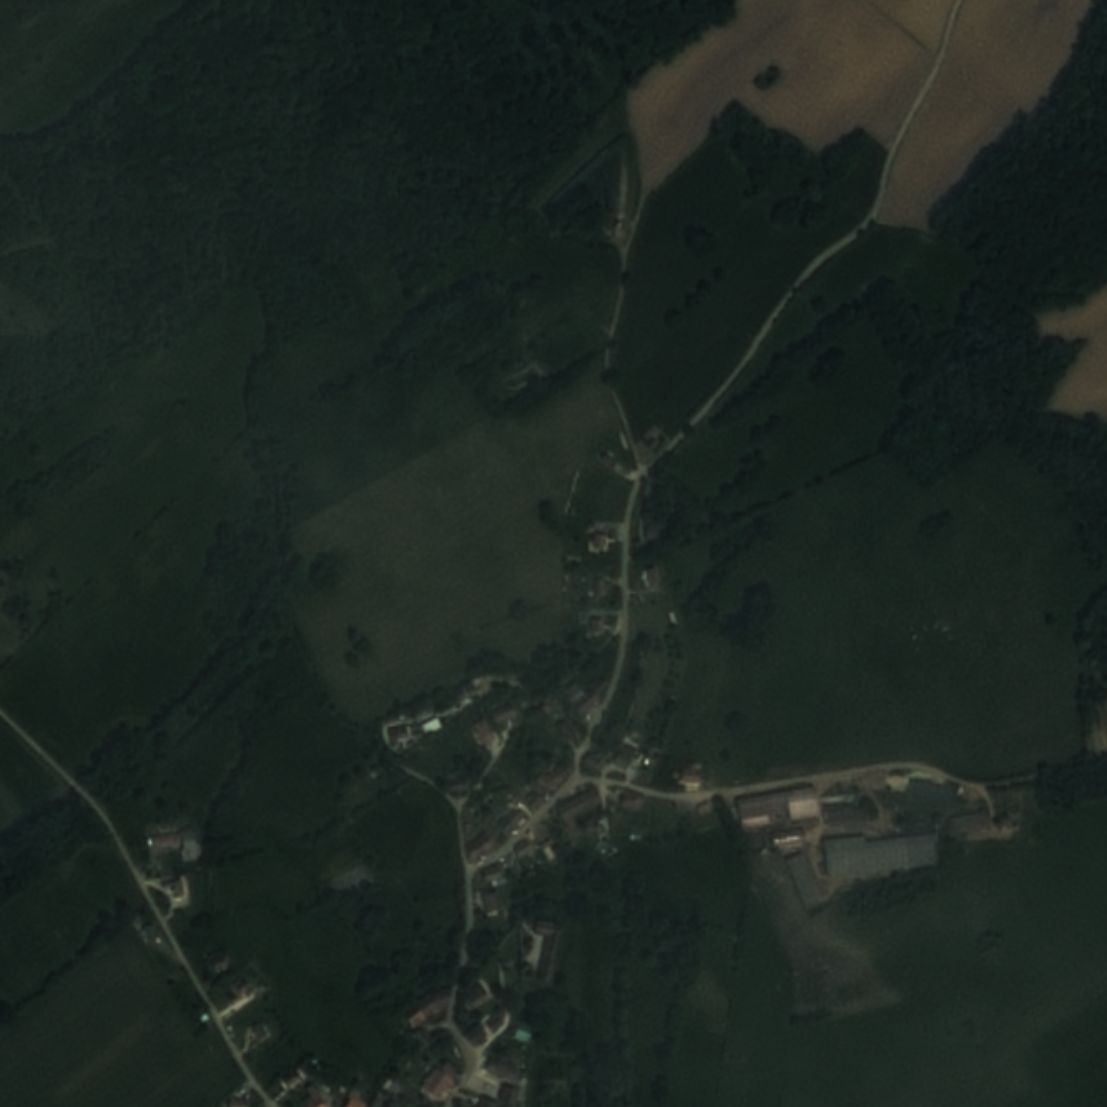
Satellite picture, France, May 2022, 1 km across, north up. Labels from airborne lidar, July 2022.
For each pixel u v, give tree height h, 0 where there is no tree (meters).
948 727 0
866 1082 0
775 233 0
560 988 17
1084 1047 0
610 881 27
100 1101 0
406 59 18
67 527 0
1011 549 0
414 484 0
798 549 0
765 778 0
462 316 17
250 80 20
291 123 17
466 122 20
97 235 15
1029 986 0
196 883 0
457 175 9
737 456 0
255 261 17
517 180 12
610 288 0
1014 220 24
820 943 0
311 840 11
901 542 0
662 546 12
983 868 0
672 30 20
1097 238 22
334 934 0
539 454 0
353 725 8
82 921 0
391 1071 6
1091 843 0
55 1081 0
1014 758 0
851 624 0
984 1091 0
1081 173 24
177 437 0
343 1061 0
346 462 0
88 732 0
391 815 0
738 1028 0
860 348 0
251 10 17
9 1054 0
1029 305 7
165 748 17
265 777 0
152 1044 0
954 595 0
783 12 0
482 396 11
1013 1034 0
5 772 0
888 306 17
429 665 0
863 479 0
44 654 0
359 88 24
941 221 17
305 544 0
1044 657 0
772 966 0
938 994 0
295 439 0
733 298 0
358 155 18
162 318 12
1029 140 22
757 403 15
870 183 0
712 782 0
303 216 22
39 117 0
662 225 0
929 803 0
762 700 0
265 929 0
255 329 0
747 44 0
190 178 20
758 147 17
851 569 0
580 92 22
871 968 0
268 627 19
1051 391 18
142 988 0
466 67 20
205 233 19
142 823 0
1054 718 0
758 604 18
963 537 0
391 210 19
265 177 21
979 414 20
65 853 17
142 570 0
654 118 0
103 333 14
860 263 0
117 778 15
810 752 0
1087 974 0
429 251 23
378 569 0
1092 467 14
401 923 0
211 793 0
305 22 20
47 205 15
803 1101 0
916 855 0
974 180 19
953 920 0
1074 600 0
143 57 15
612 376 16
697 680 0
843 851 0
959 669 0
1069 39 0
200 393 0
